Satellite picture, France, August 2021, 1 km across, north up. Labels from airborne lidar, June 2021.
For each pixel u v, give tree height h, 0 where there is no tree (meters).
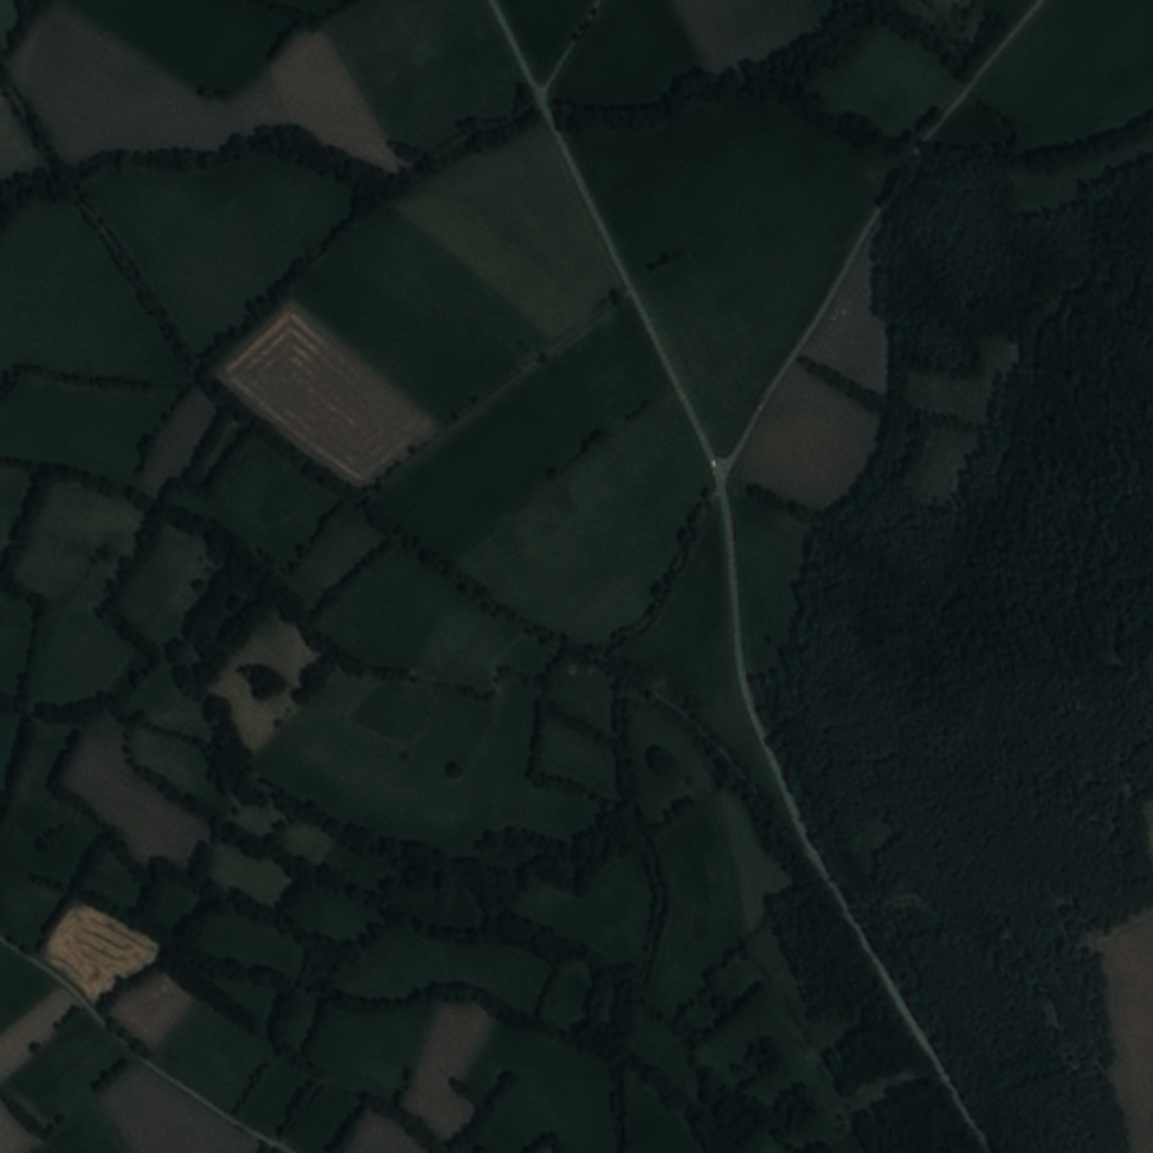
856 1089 18
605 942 0
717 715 0
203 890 16
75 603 0
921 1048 11
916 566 19
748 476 0
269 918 21
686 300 0
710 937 0
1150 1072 0
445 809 0
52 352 0
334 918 0
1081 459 14
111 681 0
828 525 15
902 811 15
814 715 18
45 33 0
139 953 0
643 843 17
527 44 0
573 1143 0
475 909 0
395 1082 0
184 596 0
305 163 16
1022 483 17
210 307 0
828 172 0
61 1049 0
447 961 0
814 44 21
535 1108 0
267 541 0
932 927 8
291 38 9
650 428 0
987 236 20
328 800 0
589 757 0
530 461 0
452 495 0
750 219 0
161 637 0
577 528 0
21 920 0
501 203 0
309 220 0
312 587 0
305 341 0
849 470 0
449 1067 0
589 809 0
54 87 0
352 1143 15
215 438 11
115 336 0
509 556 0
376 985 0
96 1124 0
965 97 0
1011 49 0
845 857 14
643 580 0
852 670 18
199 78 0
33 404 0
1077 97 0
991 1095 16
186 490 13
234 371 0
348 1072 0
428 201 0
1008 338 9
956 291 17
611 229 0
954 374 12
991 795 16
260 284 0
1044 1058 11
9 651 0
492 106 0
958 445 0
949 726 14
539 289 0
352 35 0
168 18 0
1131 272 19
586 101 0
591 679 0
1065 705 18
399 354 0
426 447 0
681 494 0
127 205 0
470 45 0
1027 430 14
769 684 12
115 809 0
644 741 0
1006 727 15
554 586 0
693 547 14
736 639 0
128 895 0
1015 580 22
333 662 19
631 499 0
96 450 0
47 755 0
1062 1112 10
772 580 0
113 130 0
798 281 0
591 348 0
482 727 0
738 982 0
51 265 0
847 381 12
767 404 0
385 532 13
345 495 10
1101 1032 8
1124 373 15
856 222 0
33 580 0
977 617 12
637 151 0
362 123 0
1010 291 15
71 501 0
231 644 19
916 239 13
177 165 15
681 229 0
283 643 0
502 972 0
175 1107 0
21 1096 0
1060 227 14
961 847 17
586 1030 14
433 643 0
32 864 0
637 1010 17
